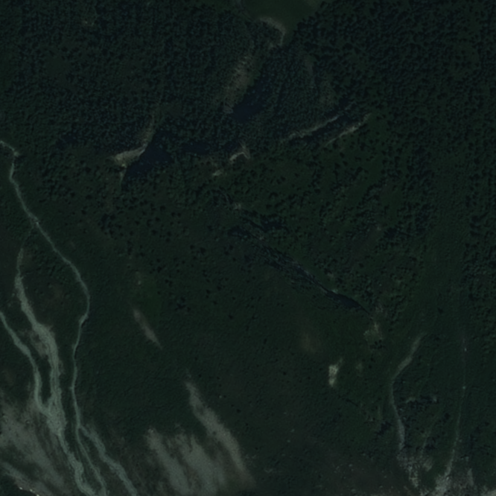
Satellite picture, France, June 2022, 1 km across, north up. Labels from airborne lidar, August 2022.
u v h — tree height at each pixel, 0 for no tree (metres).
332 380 6
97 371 6
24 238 7
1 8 8
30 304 0
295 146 23
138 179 10
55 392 0
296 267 7
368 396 7
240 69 11
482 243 8
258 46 14
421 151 11
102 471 0
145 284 0
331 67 23
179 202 8
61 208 0
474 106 15
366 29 19
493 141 8
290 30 0
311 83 6
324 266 10
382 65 21
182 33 13
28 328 0
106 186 7
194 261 9
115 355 0
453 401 7
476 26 0
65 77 0
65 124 8
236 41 14
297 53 10
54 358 0
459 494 0
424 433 13
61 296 0
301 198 6
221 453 0
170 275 6
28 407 0
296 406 0
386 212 11
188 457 0
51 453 0
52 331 0
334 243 11
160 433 0
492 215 10
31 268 0
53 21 20
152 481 0
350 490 0
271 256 13
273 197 11
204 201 26
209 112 10
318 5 0
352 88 11
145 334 0
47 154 11
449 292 7
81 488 0
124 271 0
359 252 0
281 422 0
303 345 0
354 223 7
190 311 14
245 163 15
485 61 21
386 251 10
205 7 19
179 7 6
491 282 10
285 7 0
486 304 7
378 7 20
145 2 11
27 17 9
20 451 0
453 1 16
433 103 8
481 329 6
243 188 9
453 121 13
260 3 0
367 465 0
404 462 0
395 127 16
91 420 0
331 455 0
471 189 7
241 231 14
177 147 8
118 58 15
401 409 7
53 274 6
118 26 9
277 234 9
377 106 9
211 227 8
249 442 0
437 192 8
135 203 16
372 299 7
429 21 8
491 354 7
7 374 0
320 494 0
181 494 0
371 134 7
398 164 16
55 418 0
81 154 0
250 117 26
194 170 9
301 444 0
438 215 10
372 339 6
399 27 19
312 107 9
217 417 0
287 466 0
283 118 20
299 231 11
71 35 9
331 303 7
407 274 8
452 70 6
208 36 9
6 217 7
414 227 12
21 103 9
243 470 0
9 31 7
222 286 10
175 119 8
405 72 24
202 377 10
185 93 9
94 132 7
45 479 0
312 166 33
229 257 13
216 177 12
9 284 0
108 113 12
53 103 8
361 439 6
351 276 15
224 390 0
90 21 7
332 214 9
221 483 0
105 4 8
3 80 8
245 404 0
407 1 0
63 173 9
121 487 0
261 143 16
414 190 15
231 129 11
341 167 19
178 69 13
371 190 10
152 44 8
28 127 10
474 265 10
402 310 8
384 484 0
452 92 10
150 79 5
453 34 15
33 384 0
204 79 8
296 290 15
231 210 9
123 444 0
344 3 9
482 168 10
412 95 13
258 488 0
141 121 14
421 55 8
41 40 23
